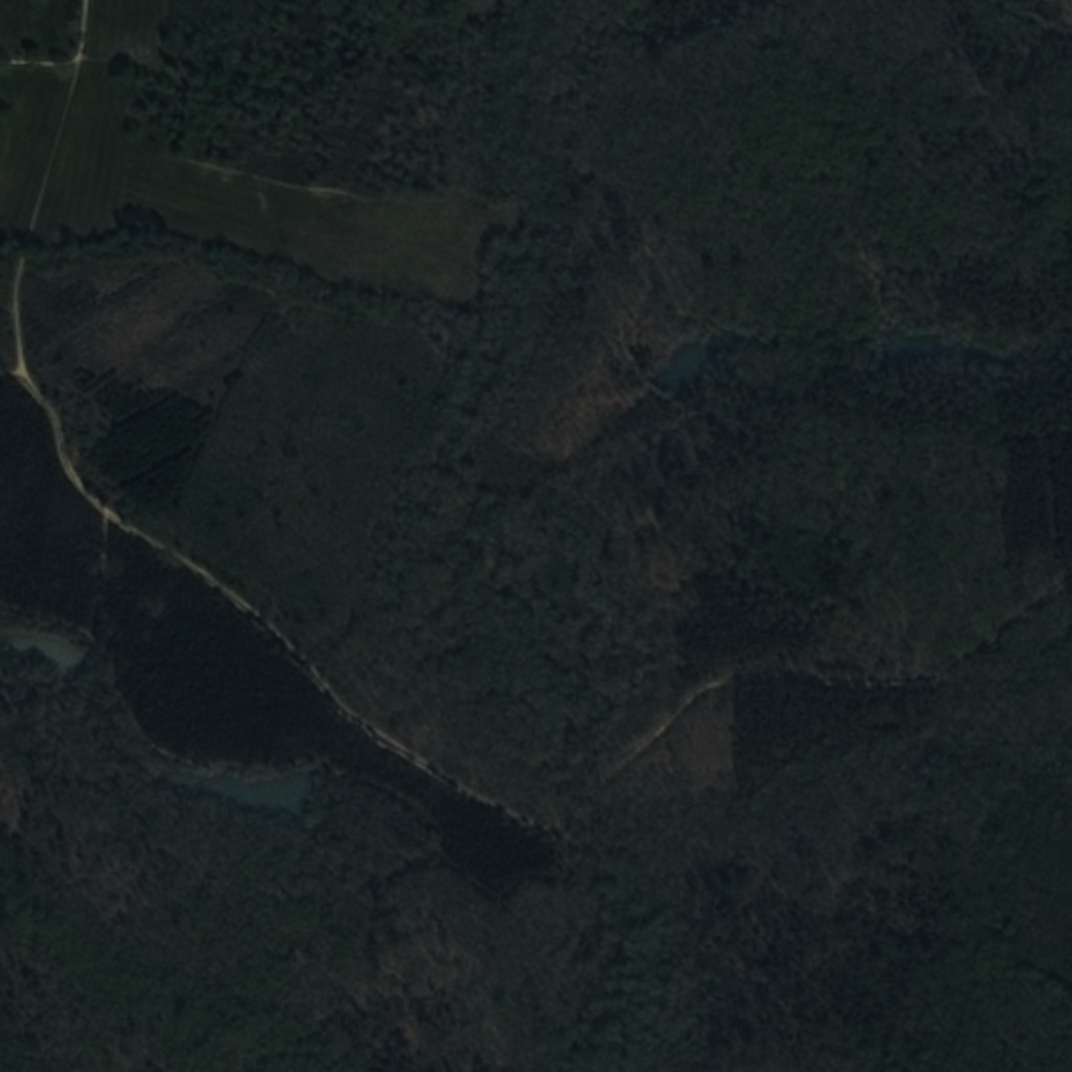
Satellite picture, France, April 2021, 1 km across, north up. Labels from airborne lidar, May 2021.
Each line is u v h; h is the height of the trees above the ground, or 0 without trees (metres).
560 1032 20
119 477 12
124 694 13
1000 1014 19
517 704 20
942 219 18
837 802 16
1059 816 15
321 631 12
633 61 16
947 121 20
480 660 21
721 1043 9
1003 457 17
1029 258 19
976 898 11
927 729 21
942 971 13
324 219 0
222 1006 19
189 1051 19
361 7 24
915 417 20
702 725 18
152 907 12
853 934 13
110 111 0
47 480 9
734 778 17
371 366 13
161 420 14
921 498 23
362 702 14
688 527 15
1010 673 20
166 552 8
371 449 13
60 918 23
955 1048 16
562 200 18
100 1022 20
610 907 17
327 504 9
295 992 20
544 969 17
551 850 12
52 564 11
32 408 9
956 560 17
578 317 16
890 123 17
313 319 7
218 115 18
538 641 21
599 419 9
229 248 18
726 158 16
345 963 15
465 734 19
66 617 12
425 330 21
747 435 12
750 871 16
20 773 13
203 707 12
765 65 19
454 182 17
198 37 13
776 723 21
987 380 20
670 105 17
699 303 17
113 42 0
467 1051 9
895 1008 12
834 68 16
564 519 23
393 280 0
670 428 11
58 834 9
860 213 13
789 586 13
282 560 11
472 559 18
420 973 12
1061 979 19
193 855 17
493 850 12
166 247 13
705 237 17
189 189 0
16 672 12
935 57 10
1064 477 20
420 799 11
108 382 10
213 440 9
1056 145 17
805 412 24
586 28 14
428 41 11
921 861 9
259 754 12
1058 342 21
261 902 14
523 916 18
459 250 0
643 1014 27
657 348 9
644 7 13
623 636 15
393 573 16
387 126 21
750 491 13
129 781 15
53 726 10
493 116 19
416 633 14
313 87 7
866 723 22
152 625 10
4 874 26
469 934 16
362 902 9
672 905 13
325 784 15
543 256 17
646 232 12
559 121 18
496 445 11
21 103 0
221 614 12
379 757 7
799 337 16
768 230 14
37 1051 24
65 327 9
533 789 19
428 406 15
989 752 16
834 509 20
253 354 9
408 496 17
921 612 17
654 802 13
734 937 10
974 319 20
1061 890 10
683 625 7
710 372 12
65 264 8
